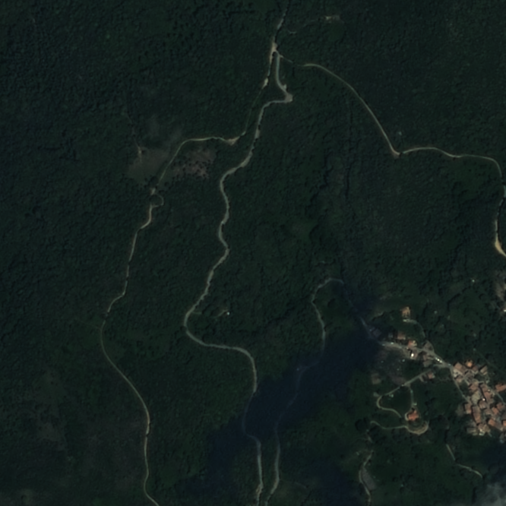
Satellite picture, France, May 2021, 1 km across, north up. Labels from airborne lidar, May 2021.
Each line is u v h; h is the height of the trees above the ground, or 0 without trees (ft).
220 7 47
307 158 30
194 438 31
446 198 30
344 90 35
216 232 22
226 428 33
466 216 61
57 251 35
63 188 42
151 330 46
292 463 22
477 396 0
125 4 50
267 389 35
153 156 0
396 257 26
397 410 0
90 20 29
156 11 61
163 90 21
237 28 45
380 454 24
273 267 62
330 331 37
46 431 0
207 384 28
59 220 39
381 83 30
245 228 42
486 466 0
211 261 23
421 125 19
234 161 26
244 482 18
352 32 18
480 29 33
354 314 38
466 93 23
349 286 42
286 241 62
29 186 53
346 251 27
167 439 18
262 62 23
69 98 36
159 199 23
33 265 26
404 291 25
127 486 0
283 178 32
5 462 20
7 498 0
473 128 36
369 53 22
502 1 27
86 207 32
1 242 47
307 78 29
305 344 23
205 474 32
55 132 38
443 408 0
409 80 28
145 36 39
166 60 28
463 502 30
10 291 40
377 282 24
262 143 24
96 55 23
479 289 35
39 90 37
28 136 38
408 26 26
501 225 18
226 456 30
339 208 37
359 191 24
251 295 48
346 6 25
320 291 35
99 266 23
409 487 34
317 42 28
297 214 22
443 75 18
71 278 26
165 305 28
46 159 45
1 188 45
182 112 26
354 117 38
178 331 31
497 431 22
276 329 51
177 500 26
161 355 19
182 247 26
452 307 45
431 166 23
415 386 34
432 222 28
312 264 42
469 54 33
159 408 22
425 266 27
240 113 36
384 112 22
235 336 55
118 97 36
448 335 35
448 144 35
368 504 20
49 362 20
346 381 74
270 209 75
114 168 42
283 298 28
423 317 39
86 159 54
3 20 45
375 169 22
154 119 23
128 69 34
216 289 26
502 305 38
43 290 22
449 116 30
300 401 23
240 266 18
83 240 33
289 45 28
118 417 23
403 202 23
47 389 0
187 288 29
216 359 29
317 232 60
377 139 24
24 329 27
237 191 44
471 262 37
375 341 23
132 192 25
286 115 24
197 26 38
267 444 31
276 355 42
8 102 41
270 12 24
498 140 18
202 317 36
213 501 21
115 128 47
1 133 46
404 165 26
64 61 25
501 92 20
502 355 23
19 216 49
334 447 0
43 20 23
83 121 39
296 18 26
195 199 20
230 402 30
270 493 33
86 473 0
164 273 34
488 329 37
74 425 17
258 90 32
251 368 31
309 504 35
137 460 18
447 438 42
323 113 27
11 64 68
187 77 24
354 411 29
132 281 33
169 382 20
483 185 33
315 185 55
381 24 20
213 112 21
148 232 23
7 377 22
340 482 26
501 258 26
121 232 27
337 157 50
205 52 36
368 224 24
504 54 26
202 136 29
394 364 0
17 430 27
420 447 22
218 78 27
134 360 34
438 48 23
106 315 34
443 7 22
